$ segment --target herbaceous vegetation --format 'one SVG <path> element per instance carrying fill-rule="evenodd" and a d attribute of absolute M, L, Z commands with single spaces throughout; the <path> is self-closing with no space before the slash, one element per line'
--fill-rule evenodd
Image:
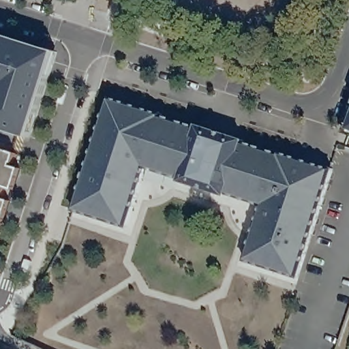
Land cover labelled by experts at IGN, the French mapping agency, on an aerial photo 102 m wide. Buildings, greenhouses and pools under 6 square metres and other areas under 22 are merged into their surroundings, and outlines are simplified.
<path fill-rule="evenodd" d="M 192 202 L 189 198 L 185 202 L 183 199 L 173 198 L 168 204 L 150 207 L 147 210 L 136 240 L 132 263 L 150 289 L 195 301 L 221 288 L 234 248 L 239 247 L 239 236 L 229 241 L 229 247 L 226 249 L 211 249 L 192 243 L 187 229 L 184 228 L 184 219 L 204 210 L 202 204 Z M 194 274 L 185 273 L 179 263 L 170 260 L 169 254 L 162 254 L 161 247 L 164 245 L 172 248 L 176 258 L 191 260 L 194 264 Z"/>
<path fill-rule="evenodd" d="M 61 202 L 63 206 L 68 206 L 100 108 L 94 102 L 91 105 L 75 164 L 68 172 L 70 183 Z"/>
<path fill-rule="evenodd" d="M 83 248 L 91 249 L 98 243 L 104 248 L 105 260 L 97 267 L 87 266 L 83 258 Z M 26 341 L 40 349 L 75 349 L 52 339 L 49 339 L 48 344 L 44 344 L 44 331 L 130 277 L 130 271 L 124 266 L 127 243 L 65 222 L 60 241 L 46 243 L 44 266 L 35 278 L 33 288 L 40 284 L 42 278 L 49 277 L 49 282 L 53 286 L 53 296 L 52 301 L 40 305 L 35 337 L 29 337 Z M 55 278 L 52 266 L 60 263 L 65 254 L 76 255 L 76 263 L 65 271 L 64 282 L 59 282 Z"/>
<path fill-rule="evenodd" d="M 240 34 L 245 34 L 255 27 L 266 27 L 271 37 L 277 37 L 274 23 L 267 22 L 264 16 L 278 15 L 290 0 L 172 0 L 189 12 L 219 18 L 221 23 L 240 22 Z"/>
<path fill-rule="evenodd" d="M 150 27 L 143 27 L 143 30 L 139 31 L 140 46 L 162 53 L 169 52 L 164 34 Z"/>
<path fill-rule="evenodd" d="M 149 320 L 145 329 L 131 333 L 127 327 L 127 319 L 134 314 L 149 314 L 153 318 Z M 59 331 L 61 337 L 98 349 L 185 349 L 181 345 L 165 345 L 162 341 L 161 331 L 172 330 L 173 327 L 184 331 L 185 337 L 188 338 L 187 349 L 221 349 L 209 309 L 188 308 L 155 299 L 140 293 L 138 286 L 130 284 Z"/>
<path fill-rule="evenodd" d="M 234 274 L 228 293 L 224 299 L 219 299 L 215 303 L 228 349 L 279 349 L 286 341 L 284 329 L 289 316 L 296 314 L 299 309 L 294 300 L 296 294 L 279 286 L 267 284 L 266 281 L 255 281 L 254 278 L 245 275 Z"/>

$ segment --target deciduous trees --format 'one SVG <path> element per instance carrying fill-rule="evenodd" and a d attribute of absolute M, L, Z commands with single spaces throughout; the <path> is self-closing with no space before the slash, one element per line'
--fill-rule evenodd
<path fill-rule="evenodd" d="M 11 271 L 10 274 L 11 284 L 15 289 L 25 288 L 30 277 L 29 271 L 20 269 L 16 273 Z"/>
<path fill-rule="evenodd" d="M 290 0 L 278 15 L 264 16 L 267 22 L 274 23 L 277 37 L 271 37 L 266 27 L 255 27 L 245 34 L 240 34 L 240 22 L 221 23 L 219 18 L 189 12 L 172 0 L 113 0 L 113 3 L 123 8 L 123 15 L 120 18 L 110 16 L 110 27 L 113 31 L 109 37 L 112 46 L 124 53 L 135 52 L 140 46 L 139 31 L 143 30 L 143 27 L 150 27 L 164 34 L 169 52 L 169 64 L 180 65 L 194 78 L 210 80 L 214 78 L 215 72 L 222 71 L 222 78 L 244 85 L 249 90 L 269 89 L 284 95 L 311 94 L 323 86 L 327 76 L 334 70 L 344 31 L 349 26 L 349 0 Z"/>
<path fill-rule="evenodd" d="M 184 219 L 184 228 L 187 229 L 192 243 L 211 249 L 226 249 L 229 247 L 229 241 L 239 236 L 226 224 L 225 217 L 214 217 L 213 211 L 204 210 Z"/>
<path fill-rule="evenodd" d="M 149 320 L 153 318 L 149 314 L 134 314 L 127 319 L 127 327 L 131 333 L 145 329 Z"/>
<path fill-rule="evenodd" d="M 3 224 L 1 221 L 0 221 L 0 274 L 4 270 L 5 256 L 11 241 L 19 232 L 19 221 Z"/>
<path fill-rule="evenodd" d="M 50 123 L 55 119 L 56 101 L 63 95 L 65 85 L 60 80 L 48 82 L 30 139 L 38 145 L 45 142 L 48 145 L 49 140 L 52 140 Z"/>
<path fill-rule="evenodd" d="M 105 260 L 104 248 L 98 243 L 91 249 L 83 248 L 83 258 L 87 266 L 97 267 Z"/>
<path fill-rule="evenodd" d="M 30 237 L 34 241 L 40 241 L 42 233 L 48 228 L 42 219 L 34 224 L 27 224 Z"/>
<path fill-rule="evenodd" d="M 185 337 L 184 331 L 173 327 L 172 330 L 161 331 L 162 341 L 165 345 L 181 345 L 185 349 L 187 349 L 188 338 Z"/>
<path fill-rule="evenodd" d="M 16 308 L 15 322 L 11 329 L 12 335 L 26 341 L 29 337 L 35 337 L 40 305 L 52 301 L 53 296 L 53 286 L 49 282 L 49 277 L 42 278 L 40 284 L 33 288 L 25 304 Z"/>
<path fill-rule="evenodd" d="M 67 149 L 52 150 L 46 154 L 50 168 L 56 172 L 67 162 Z"/>
<path fill-rule="evenodd" d="M 37 158 L 20 158 L 16 161 L 18 168 L 25 177 L 37 169 Z"/>
<path fill-rule="evenodd" d="M 64 282 L 65 271 L 76 263 L 76 255 L 65 254 L 60 263 L 52 266 L 55 278 L 59 282 Z"/>

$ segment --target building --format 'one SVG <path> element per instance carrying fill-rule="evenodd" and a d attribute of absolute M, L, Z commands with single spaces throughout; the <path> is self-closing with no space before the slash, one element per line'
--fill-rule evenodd
<path fill-rule="evenodd" d="M 56 49 L 49 50 L 0 34 L 0 128 L 18 134 L 18 139 L 22 139 L 23 142 L 30 139 L 48 82 L 56 59 Z"/>
<path fill-rule="evenodd" d="M 339 134 L 349 136 L 349 98 L 344 120 L 339 127 Z"/>
<path fill-rule="evenodd" d="M 0 149 L 0 192 L 14 188 L 12 179 L 15 168 L 18 168 L 16 161 L 20 158 L 18 154 Z"/>
<path fill-rule="evenodd" d="M 241 226 L 244 232 L 247 232 L 247 239 L 244 241 L 244 247 L 240 249 L 241 262 L 254 264 L 256 267 L 286 277 L 294 277 L 299 266 L 309 225 L 314 218 L 322 185 L 329 169 L 312 162 L 294 160 L 292 155 L 260 150 L 251 143 L 234 138 L 233 135 L 213 131 L 200 124 L 168 120 L 165 116 L 154 115 L 151 110 L 135 108 L 113 98 L 104 98 L 100 108 L 68 206 L 74 206 L 75 213 L 86 217 L 108 222 L 110 225 L 123 226 L 138 183 L 140 169 L 149 169 L 151 172 L 161 173 L 162 176 L 172 177 L 177 183 L 189 187 L 198 185 L 202 191 L 229 195 L 230 198 L 248 203 L 249 207 Z"/>
<path fill-rule="evenodd" d="M 1 221 L 4 217 L 5 200 L 0 198 L 0 221 Z"/>

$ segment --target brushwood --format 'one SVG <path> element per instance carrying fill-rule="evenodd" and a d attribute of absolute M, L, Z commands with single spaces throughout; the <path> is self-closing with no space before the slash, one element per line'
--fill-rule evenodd
<path fill-rule="evenodd" d="M 169 254 L 170 260 L 179 263 L 185 273 L 194 274 L 194 264 L 191 260 L 176 258 L 172 248 L 164 245 L 161 247 L 162 254 Z"/>

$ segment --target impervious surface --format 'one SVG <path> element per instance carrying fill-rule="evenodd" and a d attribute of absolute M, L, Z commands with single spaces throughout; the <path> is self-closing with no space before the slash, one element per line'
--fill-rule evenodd
<path fill-rule="evenodd" d="M 25 177 L 18 168 L 15 168 L 12 179 L 14 188 L 0 192 L 0 198 L 5 200 L 4 217 L 1 221 L 3 224 L 19 221 L 19 232 L 11 241 L 5 256 L 4 270 L 0 274 L 0 349 L 40 349 L 26 341 L 12 335 L 11 329 L 15 322 L 16 308 L 25 304 L 33 288 L 35 278 L 44 266 L 46 243 L 60 241 L 65 222 L 127 243 L 124 266 L 130 271 L 130 277 L 44 331 L 44 344 L 48 344 L 49 339 L 52 339 L 75 349 L 98 349 L 61 337 L 59 331 L 130 284 L 138 286 L 140 293 L 155 299 L 188 308 L 209 309 L 221 349 L 228 349 L 215 303 L 219 299 L 224 299 L 228 293 L 234 274 L 245 275 L 254 278 L 255 281 L 266 281 L 267 284 L 279 286 L 296 294 L 294 300 L 299 309 L 296 314 L 289 316 L 284 329 L 286 341 L 279 349 L 349 349 L 349 136 L 339 134 L 339 127 L 344 120 L 349 98 L 349 26 L 344 31 L 334 70 L 327 76 L 323 86 L 311 94 L 284 95 L 269 89 L 249 90 L 244 85 L 222 78 L 222 71 L 215 72 L 214 78 L 210 80 L 194 78 L 180 65 L 169 64 L 169 52 L 162 53 L 140 46 L 135 52 L 124 53 L 112 46 L 109 37 L 113 31 L 110 27 L 110 16 L 120 18 L 123 15 L 123 8 L 113 3 L 113 0 L 0 0 L 0 34 L 49 50 L 56 49 L 56 59 L 48 82 L 60 80 L 65 85 L 63 95 L 56 101 L 55 119 L 50 123 L 52 140 L 49 140 L 48 145 L 45 142 L 38 145 L 30 139 L 23 142 L 22 139 L 18 139 L 18 134 L 0 128 L 0 149 L 18 154 L 20 158 L 37 158 L 37 169 Z M 75 213 L 74 206 L 68 206 L 63 206 L 61 202 L 70 183 L 68 172 L 75 164 L 91 105 L 94 102 L 100 108 L 104 98 L 113 98 L 135 108 L 151 110 L 154 115 L 165 116 L 168 120 L 200 124 L 213 131 L 233 135 L 234 138 L 251 143 L 260 150 L 292 155 L 294 160 L 312 162 L 329 169 L 322 185 L 314 218 L 309 225 L 299 266 L 294 277 L 286 277 L 256 267 L 254 264 L 241 262 L 240 249 L 244 247 L 244 241 L 247 239 L 247 232 L 244 232 L 241 226 L 249 207 L 248 203 L 230 198 L 229 195 L 202 191 L 198 185 L 189 187 L 177 183 L 172 177 L 162 176 L 161 173 L 151 172 L 149 169 L 140 169 L 138 183 L 123 226 L 110 225 L 108 222 L 86 217 Z M 46 154 L 52 150 L 67 149 L 67 162 L 56 172 L 50 168 Z M 150 289 L 132 263 L 136 240 L 147 210 L 150 207 L 168 204 L 173 198 L 183 199 L 185 202 L 189 198 L 192 202 L 202 204 L 204 210 L 213 211 L 214 217 L 225 217 L 226 224 L 239 236 L 239 247 L 234 248 L 221 288 L 195 301 Z M 40 241 L 34 241 L 30 237 L 27 224 L 34 224 L 42 219 L 48 228 L 42 233 Z M 16 273 L 20 269 L 29 271 L 30 277 L 25 288 L 15 289 L 11 284 L 10 274 L 11 271 Z"/>

